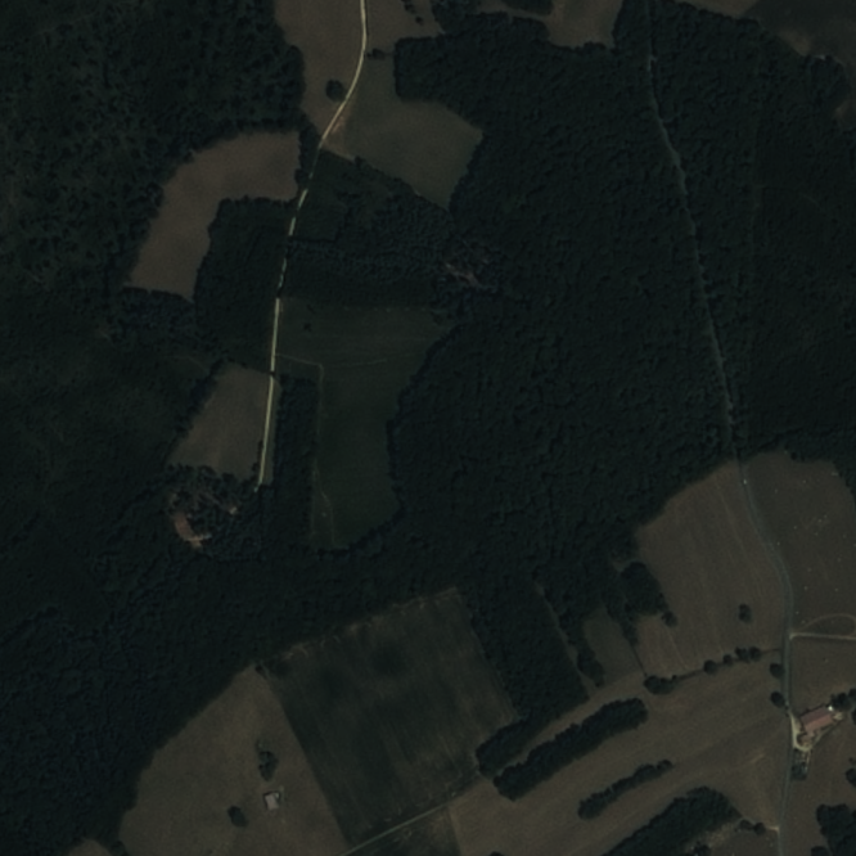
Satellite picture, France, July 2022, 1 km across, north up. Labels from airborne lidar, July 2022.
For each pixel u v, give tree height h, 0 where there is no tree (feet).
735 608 0
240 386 0
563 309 66
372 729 0
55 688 94
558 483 68
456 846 0
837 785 0
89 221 31
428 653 0
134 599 66
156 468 33
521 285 93
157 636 70
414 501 84
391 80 0
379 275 59
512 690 29
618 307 79
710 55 74
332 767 0
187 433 78
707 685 0
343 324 0
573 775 0
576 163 65
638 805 0
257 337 40
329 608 66
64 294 26
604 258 80
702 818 50
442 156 0
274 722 0
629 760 0
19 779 91
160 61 38
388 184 43
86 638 37
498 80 68
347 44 0
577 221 69
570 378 72
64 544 40
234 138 57
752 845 0
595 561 61
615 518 74
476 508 76
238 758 0
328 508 0
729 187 64
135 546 89
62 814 81
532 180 57
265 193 0
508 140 84
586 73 68
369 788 0
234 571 73
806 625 0
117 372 23
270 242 34
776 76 44
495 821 0
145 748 70
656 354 66
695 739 0
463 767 0
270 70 74
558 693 69
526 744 24
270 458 0
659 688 49
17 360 25
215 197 0
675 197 66
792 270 25
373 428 0
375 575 74
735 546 0
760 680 0
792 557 0
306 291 31
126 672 89
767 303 30
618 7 0
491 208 69
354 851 0
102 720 78
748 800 0
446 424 68
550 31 67
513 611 81
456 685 0
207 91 21
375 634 0
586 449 71
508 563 72
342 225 22
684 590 0
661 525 0
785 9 0
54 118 23
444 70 80
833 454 59
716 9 0
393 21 0
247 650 70
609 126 85
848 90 57
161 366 23
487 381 65
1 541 19
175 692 92
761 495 0
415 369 0
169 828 0
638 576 67
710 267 62
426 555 71
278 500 63
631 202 73
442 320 62
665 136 35
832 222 18
